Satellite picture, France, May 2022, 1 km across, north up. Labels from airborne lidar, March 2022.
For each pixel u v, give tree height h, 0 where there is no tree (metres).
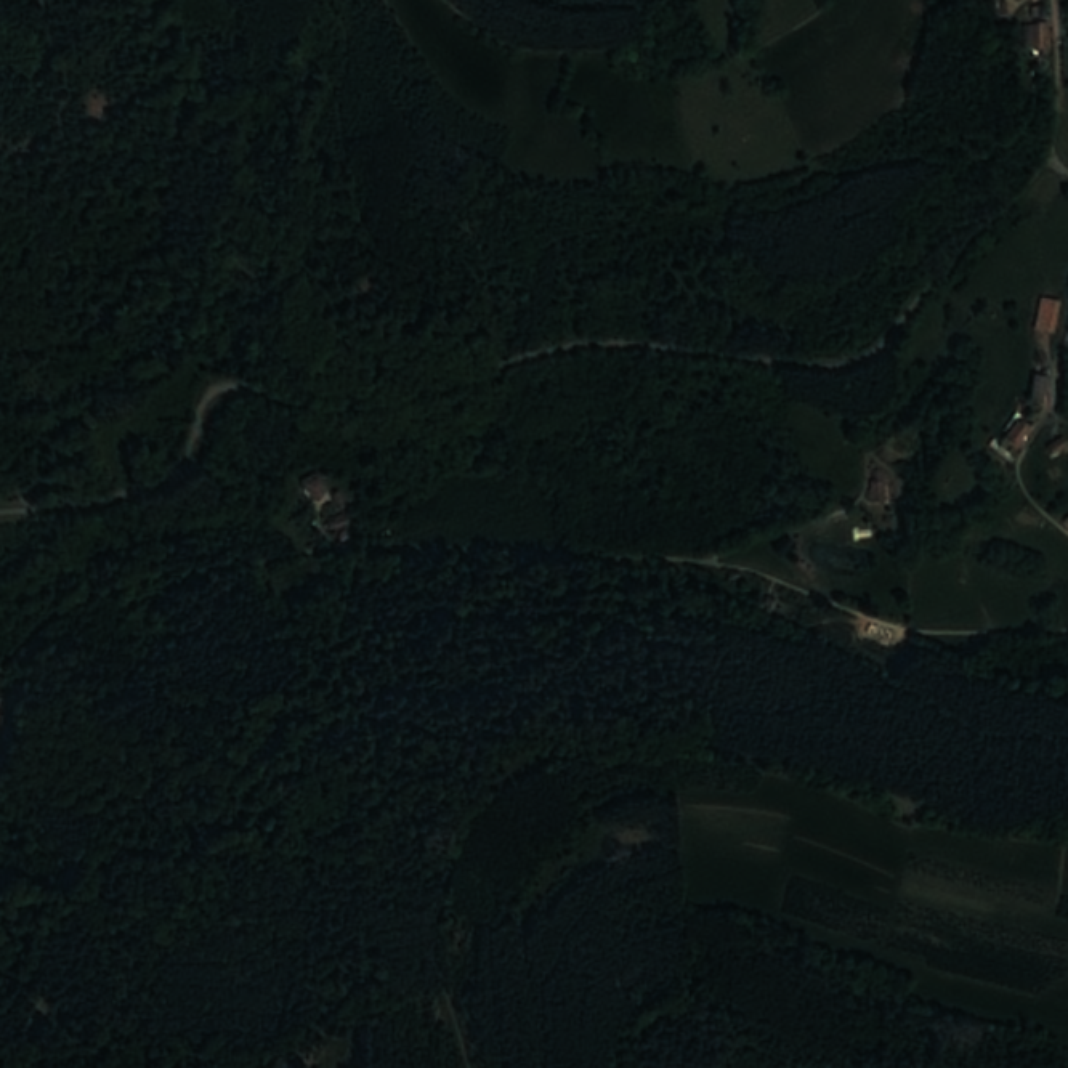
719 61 24
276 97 14
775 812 0
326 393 22
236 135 33
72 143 15
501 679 15
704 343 26
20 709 26
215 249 30
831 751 18
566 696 8
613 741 26
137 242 15
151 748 30
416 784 25
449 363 31
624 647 14
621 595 14
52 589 18
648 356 19
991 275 0
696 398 10
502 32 18
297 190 31
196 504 22
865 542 0
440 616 11
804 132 0
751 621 16
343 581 23
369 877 22
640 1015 22
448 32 0
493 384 32
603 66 0
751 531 20
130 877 30
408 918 18
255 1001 25
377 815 26
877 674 17
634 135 0
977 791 19
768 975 18
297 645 27
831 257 20
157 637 10
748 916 11
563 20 20
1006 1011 0
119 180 23
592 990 17
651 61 21
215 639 25
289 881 16
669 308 18
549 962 17
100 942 30
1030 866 0
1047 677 27
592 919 17
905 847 0
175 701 9
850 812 0
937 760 17
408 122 12
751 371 19
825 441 0
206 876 27
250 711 30
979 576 0
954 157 19
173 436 8
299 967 22
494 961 19
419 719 29
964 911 0
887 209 17
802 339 11
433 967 20
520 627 31
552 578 19
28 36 21
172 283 30
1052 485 0
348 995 30
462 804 26
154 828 9
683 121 0
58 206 19
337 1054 0
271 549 21
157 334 19
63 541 34
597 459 10
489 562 37
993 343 0
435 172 19
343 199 26
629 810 26
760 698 21
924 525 23
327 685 18
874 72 0
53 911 31
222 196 33
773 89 19
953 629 0
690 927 17
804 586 0
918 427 17
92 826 25
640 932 18
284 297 32
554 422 17
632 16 21
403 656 25
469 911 11
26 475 11
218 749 27
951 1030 27
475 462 23
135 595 18
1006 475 13
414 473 26
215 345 9
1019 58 13
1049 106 18
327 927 23
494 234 11
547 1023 18
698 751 23
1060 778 23
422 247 11
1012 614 0
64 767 26
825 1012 16
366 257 17
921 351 0
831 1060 9
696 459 14
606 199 13
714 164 0
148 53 18
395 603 24
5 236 15
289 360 29
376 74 9
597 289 26
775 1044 7
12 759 29
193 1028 22
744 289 31
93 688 16
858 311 6
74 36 12
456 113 7
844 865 0
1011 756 21
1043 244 0
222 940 17
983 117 13
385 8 7
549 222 9
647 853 19
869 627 0
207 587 26
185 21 11
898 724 17
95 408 24
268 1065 33
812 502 21
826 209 21
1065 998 0
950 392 21
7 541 7
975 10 12
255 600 26
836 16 0
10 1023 24
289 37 12
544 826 17
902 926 0
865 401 18
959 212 22
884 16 0
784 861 0
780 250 20
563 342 6
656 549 9
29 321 22
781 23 0
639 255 15
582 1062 18
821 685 17
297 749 24
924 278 14
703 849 0
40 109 12
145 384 22
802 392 18
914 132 11
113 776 32
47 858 6
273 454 22
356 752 29
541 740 24
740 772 8
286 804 27
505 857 15
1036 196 0
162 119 24
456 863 14
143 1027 21
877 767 22
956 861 0
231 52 16
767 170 0
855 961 15
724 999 15
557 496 7
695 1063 24
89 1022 28
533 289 12
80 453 31
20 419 33
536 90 0
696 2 8
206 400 0
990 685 26
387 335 30
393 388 28
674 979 15
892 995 19
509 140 6
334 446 13
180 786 29
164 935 21
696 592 29
